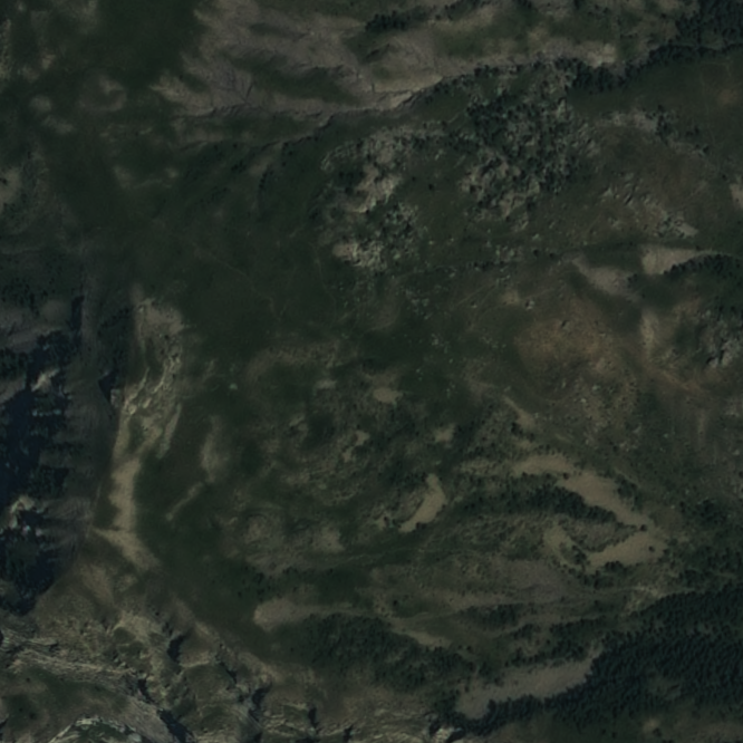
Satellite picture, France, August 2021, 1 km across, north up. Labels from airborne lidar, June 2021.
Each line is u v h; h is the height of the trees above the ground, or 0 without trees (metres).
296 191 0
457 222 0
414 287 0
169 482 0
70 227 0
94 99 0
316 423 0
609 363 0
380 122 0
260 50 0
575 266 0
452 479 0
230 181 0
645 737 0
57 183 0
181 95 0
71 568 0
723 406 0
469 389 0
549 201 0
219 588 0
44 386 0
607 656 12
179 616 0
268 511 0
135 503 0
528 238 0
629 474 0
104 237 0
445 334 0
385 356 0
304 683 0
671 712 7
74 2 0
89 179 0
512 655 0
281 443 0
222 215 0
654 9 0
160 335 0
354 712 0
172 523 0
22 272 0
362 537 0
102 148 0
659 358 0
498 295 0
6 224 0
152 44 0
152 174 0
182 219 0
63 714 0
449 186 0
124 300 0
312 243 0
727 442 0
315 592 0
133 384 0
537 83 0
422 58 0
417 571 0
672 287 0
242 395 0
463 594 0
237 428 0
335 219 0
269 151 0
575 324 0
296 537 0
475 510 10
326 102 0
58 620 0
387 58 0
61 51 0
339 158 0
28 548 0
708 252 0
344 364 0
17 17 0
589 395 0
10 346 0
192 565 0
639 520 0
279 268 0
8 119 0
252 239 0
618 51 0
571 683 0
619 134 0
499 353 0
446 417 0
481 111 11
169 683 0
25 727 0
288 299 0
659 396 0
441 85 7
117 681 0
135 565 0
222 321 0
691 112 0
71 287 0
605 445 0
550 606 0
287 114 0
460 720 8
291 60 0
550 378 0
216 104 0
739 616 6
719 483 0
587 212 0
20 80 0
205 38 0
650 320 0
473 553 0
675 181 0
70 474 0
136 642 0
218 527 0
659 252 0
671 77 0
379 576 0
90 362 0
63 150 0
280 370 0
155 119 0
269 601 0
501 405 0
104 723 0
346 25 0
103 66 0
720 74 0
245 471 0
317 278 0
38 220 0
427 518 0
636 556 0
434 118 0
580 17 0
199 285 0
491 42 0
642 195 0
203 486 0
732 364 0
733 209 0
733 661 17
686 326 0
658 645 7
